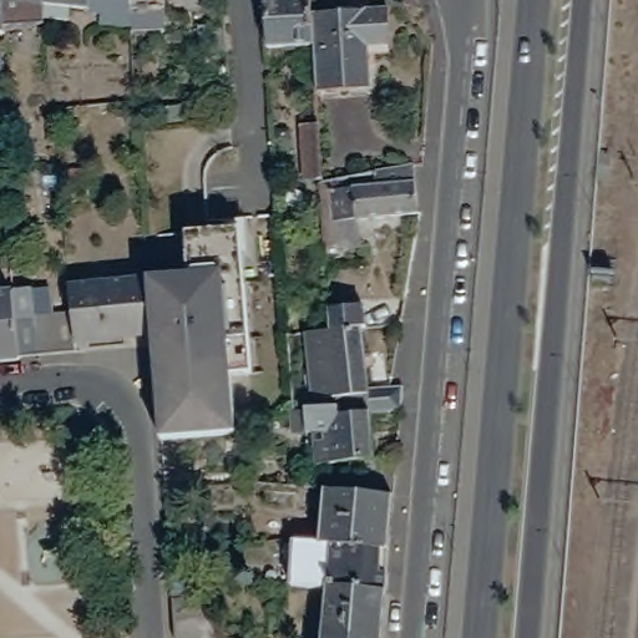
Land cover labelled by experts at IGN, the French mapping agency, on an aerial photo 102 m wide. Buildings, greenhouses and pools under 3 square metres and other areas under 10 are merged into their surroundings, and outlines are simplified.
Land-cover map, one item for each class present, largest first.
<instances>
[{"label":"impervious surface","instance_id":"1","mask_svg":"<svg viewBox=\"0 0 638 638\"><path fill-rule=\"evenodd\" d=\"M172 2L184 7L189 17L199 20V0H155L152 12L164 10V5ZM229 17L232 50L237 55V87L239 120L232 130V135H224L222 140H209V147L202 157L194 150H187V157L182 162V187L187 192H174L169 197L172 239L182 244V227L187 224L234 222L239 269L257 272L247 279L249 284H267L272 289L274 277L269 269L272 259L267 257V214L274 209V197L269 194L267 179L262 174V157L264 152H269L267 122L262 115L264 95V0H229ZM421 7L429 22V35L434 40V75L431 87H426L424 100L429 102V107L424 110V130L421 135L411 137L414 142L404 150L411 157V164L404 167H411L414 194H419V207L424 214L421 219H416V234L411 239L406 259L404 294L396 299L391 297L361 302L364 319L359 324V331L384 326V339L394 336L399 341L394 379H401L399 394L389 396L394 409L406 411L396 434L401 449L406 451V461L401 471H391L386 479L389 491L391 496H396V508L389 546V566H381L379 638H496L498 606L508 601V591L501 583L506 511L501 508L498 498L503 491H508L511 481L521 331L531 321L526 312V279L528 242L533 232L541 234L531 356V371L538 374V389L516 638H563V608L568 598L566 586L571 573V556L566 551L568 501L586 284L593 269L591 264H586L583 254L593 252L591 219L596 172L598 164H608L603 145H598V125L606 65L608 0H573L568 25L571 37L566 57L561 130L551 127V132H541L543 62L546 45L553 42V37L548 35L551 0H399ZM538 142L548 145V155L558 152V167L548 164V172H556V187L546 184V192H556V204H546V209L553 212V224H541L538 219H533ZM117 60H107L95 45L77 47L75 62L67 70L70 77L62 80L60 95L55 97L65 100L70 110H72L82 105H107L115 102L112 95L125 92V87L122 77L127 72L130 50L122 40L115 42ZM336 152L346 157L351 152H359L366 157H379L386 145L374 135L369 125L374 117L371 95L351 100H329ZM334 189L326 187L319 192L321 202L324 244L329 254L344 257L354 252L361 244V239L369 242L379 239V227H396L401 217V212H391L334 219ZM359 299L351 284L339 282L329 287V304ZM62 401H72L75 409V414L67 419V439L55 451L50 449V444H45L40 429H27V434L22 436L27 446L0 441V638H82L77 631V621L85 618L87 606L80 601V593L70 588V583H65L55 553L50 551L60 546L62 523L72 516V506L57 501L62 496L57 476L65 474L67 456L80 451V439L97 426H102L110 439H127L130 451L137 461L135 501L127 506L132 511L127 521L130 548L140 553L147 571L137 593L132 596V606H137L140 618L137 631L122 638H179L174 633V596L160 591V573L155 571V543L164 541V516H160V491L157 471L167 474V441L160 439L164 414L155 409L150 329L142 326L137 346L125 351L75 354V349H57L0 356V421H10L15 411L22 406H30L35 416H52L62 406ZM364 366L371 369V379H386L381 351H371L369 356H364ZM254 394V391L244 389V386H234V411H237V414H244V411H249L252 406H249V396ZM307 404H331L341 411L366 409V404L356 396L339 399L302 386L297 389V404L302 409Z\"/></svg>","mask_w":638,"mask_h":638},{"label":"deciduous trees","instance_id":"2","mask_svg":"<svg viewBox=\"0 0 638 638\"><path fill-rule=\"evenodd\" d=\"M199 20L189 17L184 7L172 2L164 5V10L169 17V25L164 30H150L145 35L130 32L122 40L130 50L127 72L142 70L145 62H160L169 77L164 82L125 87V92L112 95L115 102L107 105L110 112L127 117V130L110 140V150L115 160L130 172L135 192L125 194L122 189H117L110 194L107 189H102L100 184L102 177H107V172L97 155L90 162H85V167L67 172L60 194L50 192L45 212L55 229L70 227L72 214L87 212L92 207H97L102 219L110 224L122 222L125 214H135L137 222L145 219L147 209L157 204V194L147 182V177L155 172V162L145 152V142L155 132L179 127H194L199 132H212L222 127L232 130L239 120L237 87L229 85L224 75H219V67L224 65V47L217 40V30L224 15L229 17V0H199ZM40 40L52 47L55 57H62L67 45H75L77 25L47 17L40 27ZM282 67H289L292 77L299 80V90L289 92L297 100V112L314 115V55L309 45L292 50L264 47V95L267 102H272L274 95L282 92L284 82L289 80L282 72ZM17 82L10 67H0V100H15ZM426 87L419 82L406 87L396 80H376L371 95L374 117L389 137H411L421 135L424 130V110L429 107V102L424 100ZM42 160L35 157L30 127L20 115V107L15 112L0 115V269L5 259L12 264V272L7 277H22L27 267H50L60 277L67 264L47 244L45 232L37 224V217L27 212L25 189L30 187V172H40ZM47 152L52 157H62L75 147L80 137H85L72 110H70L42 117ZM386 164L404 167L411 164V157L404 150L386 145L379 157H366L359 152H351L346 157L344 164L326 172V177H341L354 172L356 177L359 172H369ZM304 184L302 177L292 160L277 164L272 169V177L267 179L269 194L274 197V209L267 214V237H282L287 247L289 274L274 277L272 289L274 309L279 307L287 312L294 304V299H299L309 309L304 319L307 324L324 321L329 319V287L339 282L341 269H356L366 264L371 254L369 242L361 239V244L354 252L344 257L329 254L324 244L321 202L307 204L299 197L292 204H287L284 194ZM75 414V409L72 401H62V406L52 416H35L30 406H22L15 411L10 421H0V441L27 446L22 436L27 434V429H40L45 444H50V449L55 451L67 439V419ZM406 411L394 409L391 411V431L379 441L374 454L376 466L371 471L384 474L386 479L391 471H401L406 461V451L401 449L396 434ZM274 421V411H244V414H237V411H234L232 434L177 441L184 461L194 466L202 476L197 479L192 491H160V516H164V541L155 543V571L160 573H172L174 581H182V593L187 596L184 608L202 611L204 618L212 623L214 638H302V631H294L292 616L287 613L292 586L289 581L269 576L254 578L252 573H239L232 568L229 548H237L242 553L247 546H262L264 531H254L249 506H239L237 511L212 508L209 481L214 479V474L227 471L229 486H234L239 496H257L259 479L262 474H267L262 466L264 454L277 456L279 486L297 483L312 488L317 476L331 471L364 476L369 471V466L361 461L326 464L324 459H317L314 451L307 449L302 441L292 446L287 439L277 436L272 429ZM237 593L257 596L264 608V621H254V613L249 608H244L242 616L234 618L227 608V598ZM137 461L130 451L127 439H110L102 426H97L80 439V451L67 456L65 474L57 476L62 496L57 501L72 506V516L62 523L60 546L50 551L55 553L65 583H70V588L80 593V601L87 606L85 618L77 621V631L82 638H122L137 631L140 618L137 606H132V596L137 593L147 571L140 553L130 548L127 521L132 511L127 506L135 501Z\"/></svg>","mask_w":638,"mask_h":638},{"label":"herbaceous vegetation","instance_id":"3","mask_svg":"<svg viewBox=\"0 0 638 638\"><path fill-rule=\"evenodd\" d=\"M386 5V17H396V30L389 52H376V80H396L406 87L419 82L426 87H431L434 75V40L429 35V22L421 7L399 0H314L312 10ZM573 0H551L548 35L553 37V42L546 45L543 62L541 132H551V127L561 130L566 57L571 37L568 25ZM598 145H603L608 164H598L596 172L591 219L593 252L583 254L586 264H591L593 269L586 284L568 501L576 503V513L581 516L596 508L598 493H606V483H598V476H608L611 444L616 436V429H611V419L616 416V401L621 391L618 379L626 346H613V331L606 324V317H638V0H608L606 65L598 125ZM217 40L224 47V65L219 67V75H224L229 85L237 87V55L232 50L229 17L224 15L217 30ZM40 40V27L35 22L0 25V67H10L17 82L15 100H0V115L15 112L20 107V115L30 127L35 157L42 160L40 172H30V187L25 189L27 212L37 217V224L45 232L47 244L67 264L60 277L50 267H27L22 277H7L12 272V264L5 259L0 269V287H47L50 304L60 307V312H70L75 307L62 297L67 294L70 279L182 269V244L172 239L169 197L174 192H187L182 187V162L187 157V150H194L202 157L209 147V140H222L224 135H232V130L222 127L212 132H199L194 127H179L155 132L145 142V152L155 162V172L147 177V182L157 194V204L147 209L145 219L137 222L135 214H125L122 222L110 224L102 219L97 207H92L87 212L72 214L70 227L55 229L45 212L50 192L60 194L67 172L85 167V162H90L97 155L107 172V177H102L100 184L102 189H107L110 194L117 189H122L125 194L135 192L130 172L115 160L110 150V140L127 130V117L110 112L107 105H82L72 110L85 137H80L75 147L62 157H52L47 152L42 117L70 110L65 100L55 97L60 95L62 80L70 77L67 70L75 62L77 47L75 45H67L62 57H55L52 47L47 50L50 77L37 80L32 65ZM169 77L160 62H145L142 70L127 72L122 77L125 87L164 82ZM282 72L289 80L284 82L282 92L274 95L272 102V115L279 122L277 132L287 137V145L282 150L292 155L297 152V122L317 120L314 115L297 112V100L289 92L299 90V80L292 77L289 67H282ZM369 125L374 135L386 145L404 150L414 142L411 137H389L374 117ZM299 197L307 204L321 202L319 192H312L304 184L284 194L287 204H292ZM396 247V227H379V239L369 242L371 254L366 264L356 269H341L339 282L351 284L359 299L361 302L391 297L389 272ZM254 369L252 376L239 381V386H244V389L254 391V394L249 396V406H252L249 411H264L272 399L279 396L272 329L274 309L272 289L267 284H249ZM309 309L299 299H294V304L287 312L289 326L284 346L287 351L302 354L297 344L292 346V341L299 336V331L324 329V321L307 324L304 319ZM364 356H369L371 351H381L386 379H394L399 341L394 336L384 339V326L359 331ZM272 429L277 436L287 439L292 446L302 441V436H307V426L292 431L287 426L274 421ZM167 474L157 471L160 491H192L197 479L202 476L194 466L184 461L177 441H167ZM262 466L267 474H262L259 479L257 496H239L234 486H229L227 471L214 474V479L209 481L212 508L237 511L239 506H249L254 531H264L262 546H247L242 553L237 548H229L232 568L239 573H252L254 578L269 576L289 581V543L297 536L312 538L317 533L321 486L389 491L386 479L384 474L371 471H369L364 476L331 471L317 476L312 488L297 483L279 486L277 456L264 454ZM321 591L292 586L287 613L292 616L294 631H302V638H317ZM227 608L234 618L242 616L244 608H249L254 613V621H264V608L257 596L237 593L227 598Z\"/></svg>","mask_w":638,"mask_h":638},{"label":"building","instance_id":"4","mask_svg":"<svg viewBox=\"0 0 638 638\"><path fill-rule=\"evenodd\" d=\"M155 0H0V25L35 22L40 27L47 17L77 25H122L130 27V32L145 35L150 30H164L169 25V17L164 10L152 12ZM314 0H264V47L292 50L309 45L314 55V95L329 100H351L371 95L376 80V52H389L396 30V17H386V5L312 10ZM292 160L302 177L317 174V120L297 122V152L292 155ZM326 187L334 189V219L391 212H401V217L416 219H421L424 214L419 207V194H414L411 167H404L386 164L369 172H359L356 177L354 172L341 177H326ZM182 269L70 279L67 294L62 297L75 307L70 312H60V307L50 304L47 287H0V356L57 349H75V354L125 351L137 346L142 326L150 329L155 409L164 414L160 439L167 441H177L232 434L234 411V386H239V381L252 376L254 369L249 284L247 279L257 272L239 269L234 222L187 224L182 227ZM364 319L361 302L359 299L329 304V319L324 321V329L299 331V336L292 341V346L297 344L302 354V386L339 399L356 396L366 404V409L341 411L331 404H307L302 409L297 404L292 421L287 426L292 431L307 426V436H302V441L307 449L314 451L317 459H324L326 464L361 461L369 466V471H371L376 466L374 454H366V424L371 421V414L391 411L394 409L389 396L399 394L401 379H371V369L364 366V356L359 331V324ZM396 508V496H391L389 491L321 486L317 533L312 538L297 536L289 543V581L292 586L321 591L317 638H379L381 566H389V546ZM160 591L174 596V633L179 638H214L212 623L204 618L202 611L184 608L187 596L182 593V581H174L172 573H160Z\"/></svg>","mask_w":638,"mask_h":638},{"label":"pervious surface","instance_id":"5","mask_svg":"<svg viewBox=\"0 0 638 638\"><path fill-rule=\"evenodd\" d=\"M548 164L558 167V152L548 155V145L538 142L533 219H538L541 224H553V212L546 209V204H556V192H546V184L556 187V172H548ZM541 234L533 232L528 242L526 279V312L531 321L521 331L511 481L508 491H503L498 498L501 508L506 511L501 583L508 591V601L498 606L496 638H516L538 389V374L531 371V356ZM606 324L613 331V346H626L618 379L621 391L616 401V416L611 419V429H616V436L611 444L608 476H598V483H606V493H598L596 508L581 516L576 513V503L568 501L566 551L571 556V573L566 586L568 598L563 608V638H638V317H606Z\"/></svg>","mask_w":638,"mask_h":638},{"label":"brushwood","instance_id":"6","mask_svg":"<svg viewBox=\"0 0 638 638\"><path fill-rule=\"evenodd\" d=\"M130 32V27L122 25H77L75 45L77 47L95 45L107 60H117L115 42L122 40ZM52 47L40 40L32 65L37 80L50 77L47 50ZM262 115L267 122L269 152H264L262 157V174L267 179L272 177V169L277 164L292 160V155L282 150L287 145V137L277 132L279 122L272 115V102H267L264 95ZM317 120V174L302 177L304 184L312 192H319L326 187V172L344 164L346 157L336 152L329 100L314 95V115ZM416 219L401 217L396 227V247L389 272L391 297L396 299L404 294L406 259L411 239L416 234ZM267 257L272 259L269 269L274 277L289 274L287 247L282 237H267ZM289 326L287 312L279 307L274 309L272 329L279 396L272 399L264 411H274V421L287 426L292 421L297 404V389L302 386V354L287 351L284 346ZM391 431V411L371 414V421L366 424V454H374L379 441Z\"/></svg>","mask_w":638,"mask_h":638}]
</instances>
